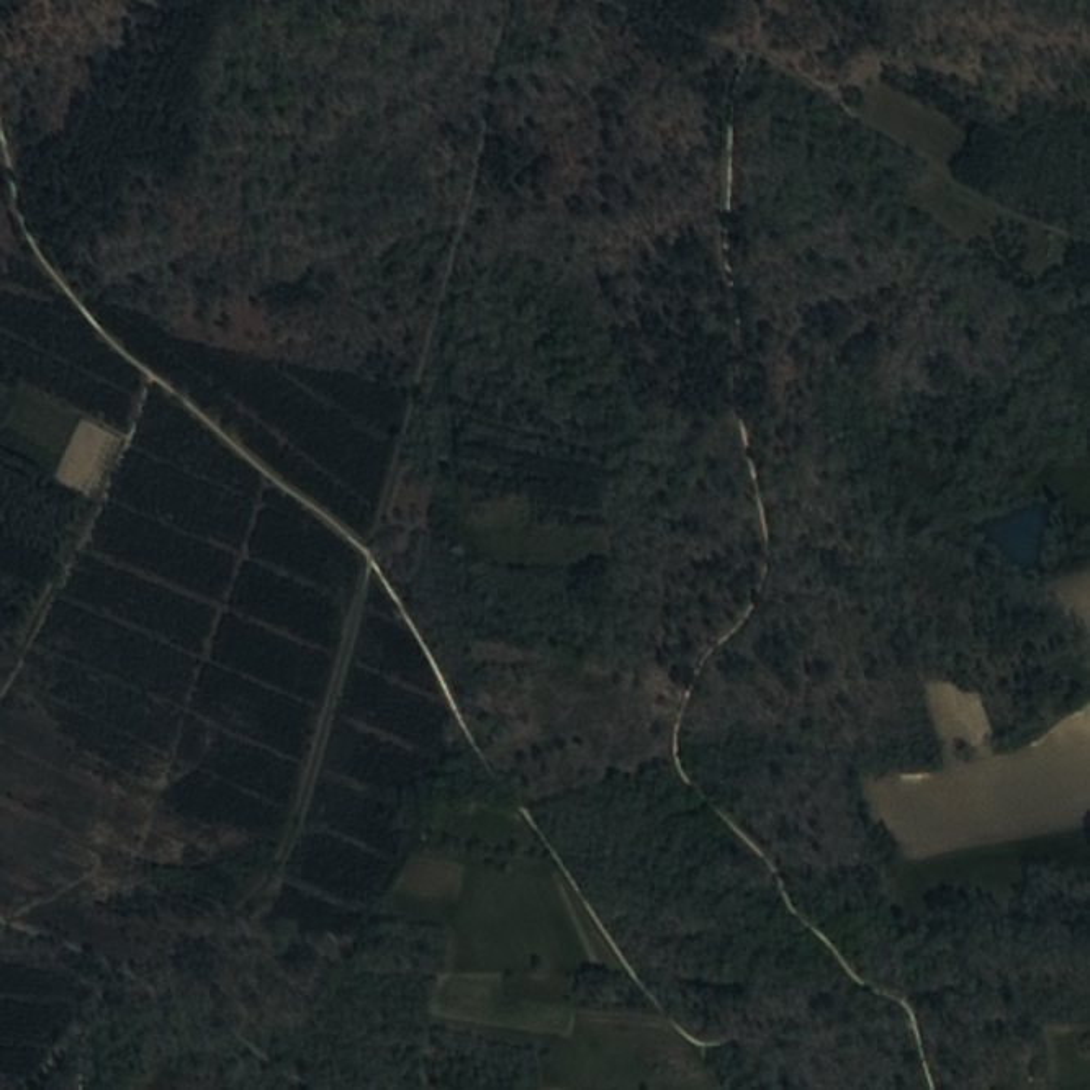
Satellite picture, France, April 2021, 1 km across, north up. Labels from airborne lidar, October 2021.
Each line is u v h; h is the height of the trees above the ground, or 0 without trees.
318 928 8
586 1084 0
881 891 25
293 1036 15
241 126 12
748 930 25
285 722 8
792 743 13
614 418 6
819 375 23
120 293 13
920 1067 26
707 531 18
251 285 18
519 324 8
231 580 9
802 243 19
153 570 8
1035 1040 20
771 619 14
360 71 17
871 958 13
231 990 21
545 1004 0
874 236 15
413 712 8
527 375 11
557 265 11
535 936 0
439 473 7
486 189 15
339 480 11
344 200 13
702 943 13
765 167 19
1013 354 21
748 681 25
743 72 10
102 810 0
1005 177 16
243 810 11
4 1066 10
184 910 12
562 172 13
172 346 11
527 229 17
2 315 9
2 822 0
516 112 10
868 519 23
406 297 10
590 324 9
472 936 0
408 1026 11
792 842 21
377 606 7
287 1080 12
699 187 11
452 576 13
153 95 22
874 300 9
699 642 9
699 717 14
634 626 10
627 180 11
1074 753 0
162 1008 16
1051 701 18
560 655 22
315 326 10
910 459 9
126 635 10
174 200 7
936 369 13
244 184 6
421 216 17
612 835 12
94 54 6
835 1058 21
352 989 11
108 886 0
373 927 13
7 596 8
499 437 10
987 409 21
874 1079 17
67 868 0
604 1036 0
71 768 0
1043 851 0
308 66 15
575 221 13
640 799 16
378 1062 16
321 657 9
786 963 18
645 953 14
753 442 8
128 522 8
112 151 19
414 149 7
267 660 8
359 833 7
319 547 9
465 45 22
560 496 15
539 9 11
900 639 14
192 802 10
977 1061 24
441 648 8
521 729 20
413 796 20
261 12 17
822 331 28
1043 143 20
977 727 0
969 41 15
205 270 17
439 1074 15
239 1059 16
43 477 17
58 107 8
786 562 11
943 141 0
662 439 19
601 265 14
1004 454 29
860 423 19
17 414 0
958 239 10
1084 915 17
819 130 15
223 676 10
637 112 16
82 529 13
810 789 13
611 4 18
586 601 25
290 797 8
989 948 21
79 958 8
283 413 9
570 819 14
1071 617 15
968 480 12
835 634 15
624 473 9
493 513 0
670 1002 16
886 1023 23
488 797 18
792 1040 19
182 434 9
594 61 18
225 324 8
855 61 15
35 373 9
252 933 18
